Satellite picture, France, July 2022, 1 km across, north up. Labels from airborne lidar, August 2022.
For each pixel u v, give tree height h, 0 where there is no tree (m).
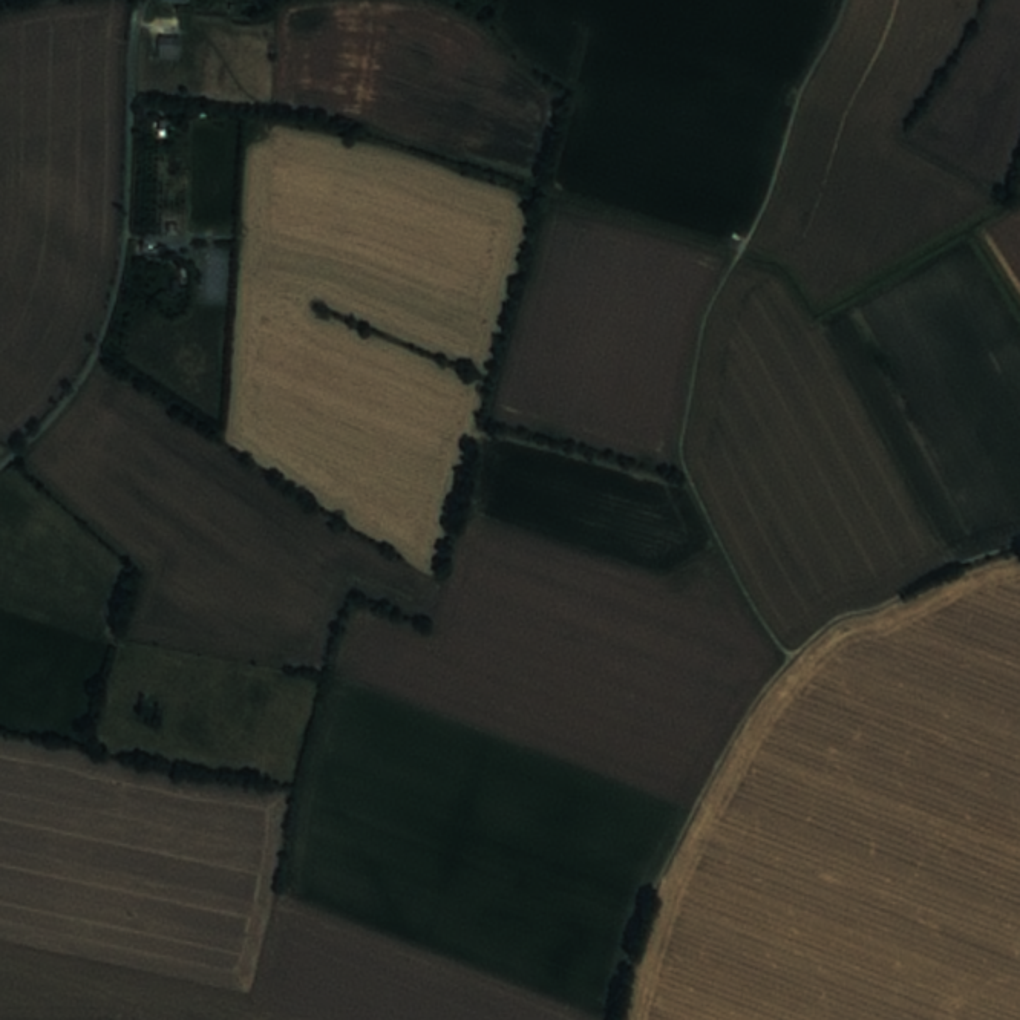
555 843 0
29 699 0
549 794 0
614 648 0
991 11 0
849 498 0
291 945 0
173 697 0
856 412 0
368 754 0
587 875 0
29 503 0
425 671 0
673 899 0
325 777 0
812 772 0
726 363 0
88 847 0
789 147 0
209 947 0
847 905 0
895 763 0
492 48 0
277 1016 0
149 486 0
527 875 0
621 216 0
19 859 0
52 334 0
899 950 0
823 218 0
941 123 0
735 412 0
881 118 0
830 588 0
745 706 0
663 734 0
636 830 0
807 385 0
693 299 0
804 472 0
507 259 0
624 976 21
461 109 0
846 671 0
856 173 0
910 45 0
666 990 0
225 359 8
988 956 0
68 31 0
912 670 0
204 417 7
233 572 0
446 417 0
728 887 0
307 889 0
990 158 0
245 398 0
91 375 0
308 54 0
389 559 9
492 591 0
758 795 0
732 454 0
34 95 0
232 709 0
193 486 0
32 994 0
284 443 0
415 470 0
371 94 0
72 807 0
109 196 0
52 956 0
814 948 0
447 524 17
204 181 0
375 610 14
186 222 0
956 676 0
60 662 0
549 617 0
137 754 11
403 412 0
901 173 0
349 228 0
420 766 0
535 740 0
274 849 0
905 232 0
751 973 0
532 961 0
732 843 0
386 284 0
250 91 0
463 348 0
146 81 0
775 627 0
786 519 0
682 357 0
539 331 0
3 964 0
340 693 0
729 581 0
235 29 0
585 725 0
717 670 0
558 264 0
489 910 0
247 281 0
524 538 0
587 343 0
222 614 0
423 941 0
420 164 0
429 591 0
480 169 7
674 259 0
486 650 0
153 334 0
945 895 0
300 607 0
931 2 0
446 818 0
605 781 0
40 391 0
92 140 0
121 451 0
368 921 0
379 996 0
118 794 0
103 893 0
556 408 0
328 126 13
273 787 8
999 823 0
